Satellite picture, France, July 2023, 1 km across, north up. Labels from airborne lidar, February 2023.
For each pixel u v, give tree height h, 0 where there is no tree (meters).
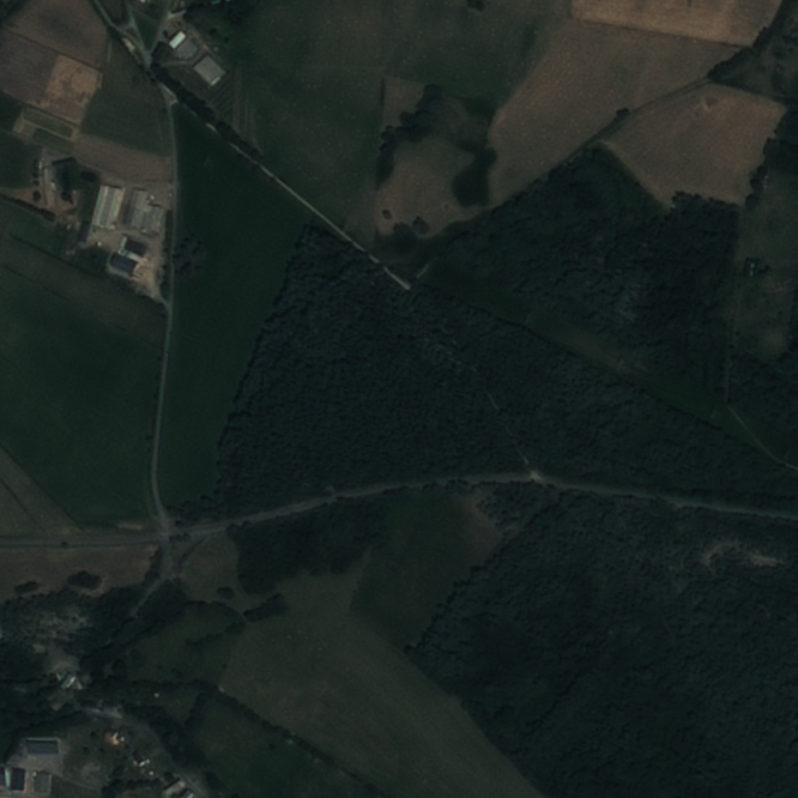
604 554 10
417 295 8
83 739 0
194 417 0
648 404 14
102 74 0
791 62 0
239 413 7
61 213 0
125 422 0
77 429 0
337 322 19
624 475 7
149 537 0
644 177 0
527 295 19
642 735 12
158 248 0
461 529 0
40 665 14
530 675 6
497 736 12
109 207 0
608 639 8
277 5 0
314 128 0
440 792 0
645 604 8
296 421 18
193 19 11
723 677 11
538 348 15
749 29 0
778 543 7
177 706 0
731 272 11
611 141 0
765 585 14
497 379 13
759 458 16
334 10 0
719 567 7
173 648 0
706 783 7
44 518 0
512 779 0
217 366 0
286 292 15
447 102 0
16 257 0
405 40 0
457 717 0
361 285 16
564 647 7
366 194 0
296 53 0
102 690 21
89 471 0
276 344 19
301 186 0
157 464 0
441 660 22
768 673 6
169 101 0
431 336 16
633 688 9
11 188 0
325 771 0
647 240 10
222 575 0
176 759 8
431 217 0
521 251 6
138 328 0
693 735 7
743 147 0
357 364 20
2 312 0
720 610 8
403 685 0
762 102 0
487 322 14
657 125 0
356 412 20
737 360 16
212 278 0
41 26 0
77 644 8
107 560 0
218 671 0
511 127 0
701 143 0
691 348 13
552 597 18
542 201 15
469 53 0
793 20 0
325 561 7
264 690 0
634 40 0
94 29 0
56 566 0
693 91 0
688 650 6
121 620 12
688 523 11
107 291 0
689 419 17
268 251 0
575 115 0
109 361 0
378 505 8
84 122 0
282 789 0
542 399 16
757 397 20
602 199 9
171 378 0
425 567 0
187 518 8
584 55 0
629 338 7
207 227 0
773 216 0
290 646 0
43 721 8
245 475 21
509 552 15
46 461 0
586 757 12
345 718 0
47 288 0
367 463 17
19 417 0
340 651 0
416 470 23
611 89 0
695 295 20
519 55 0
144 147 0
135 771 0
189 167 0
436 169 0
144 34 0
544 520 11
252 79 0
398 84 0
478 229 8
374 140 0
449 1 0
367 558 0
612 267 17
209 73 0
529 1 0
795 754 8
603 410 11
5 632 8
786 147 15
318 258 16
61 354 0
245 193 0
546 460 16
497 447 20
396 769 0
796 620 11
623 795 7
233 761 0
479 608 16
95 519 0
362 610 0
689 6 0
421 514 0
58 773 0
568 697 17
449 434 24
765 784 9
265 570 10
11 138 0
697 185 0
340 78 0
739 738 9
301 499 12
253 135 0
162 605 9
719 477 11
